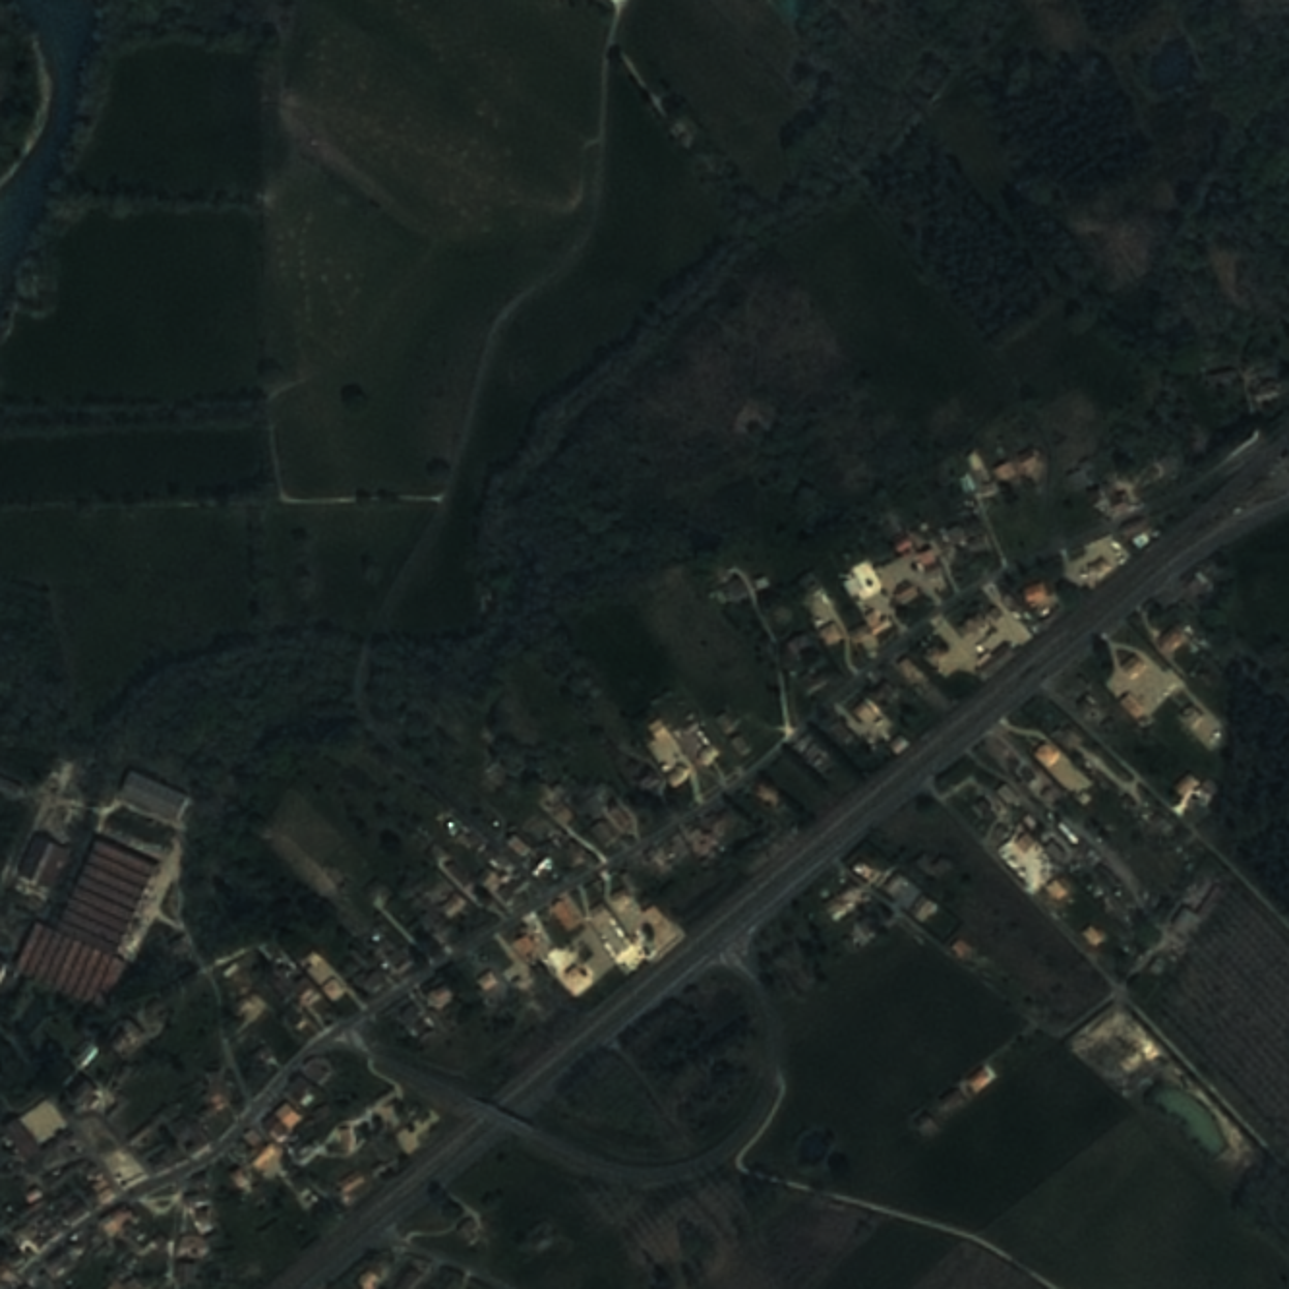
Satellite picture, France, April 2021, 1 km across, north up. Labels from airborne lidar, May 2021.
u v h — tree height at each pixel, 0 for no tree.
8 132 11
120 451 0
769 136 0
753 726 0
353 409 13
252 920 32
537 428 12
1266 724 16
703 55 0
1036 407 13
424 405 0
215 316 0
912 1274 0
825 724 14
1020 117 20
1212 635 16
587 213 0
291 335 0
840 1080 0
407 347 0
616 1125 8
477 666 19
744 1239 18
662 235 0
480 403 0
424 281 0
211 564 0
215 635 0
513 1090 0
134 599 0
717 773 0
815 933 11
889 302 0
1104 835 9
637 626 0
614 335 0
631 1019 0
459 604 0
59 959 0
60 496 0
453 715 16
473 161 0
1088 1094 0
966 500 12
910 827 0
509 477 17
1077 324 14
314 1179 6
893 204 19
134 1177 0
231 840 22
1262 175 17
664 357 7
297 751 19
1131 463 10
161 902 0
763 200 12
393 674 20
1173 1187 0
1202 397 0
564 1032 14
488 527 16
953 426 0
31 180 0
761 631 11
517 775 6
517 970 0
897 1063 0
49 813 0
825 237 0
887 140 17
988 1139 0
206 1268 0
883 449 8
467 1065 0
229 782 18
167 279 0
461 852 0
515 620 20
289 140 0
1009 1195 0
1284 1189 22
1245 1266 0
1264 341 9
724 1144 0
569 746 9
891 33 24
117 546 0
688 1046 7
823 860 0
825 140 21
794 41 0
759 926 0
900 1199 0
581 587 20
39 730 21
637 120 0
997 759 0
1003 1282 0
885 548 12
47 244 16
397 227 0
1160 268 19
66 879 10
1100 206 17
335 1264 0
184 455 0
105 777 15
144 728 22
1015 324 22
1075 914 0
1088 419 0
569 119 0
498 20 0
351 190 0
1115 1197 0
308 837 0
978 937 0
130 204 17
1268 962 20
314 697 8
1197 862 0
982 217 16
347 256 0
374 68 0
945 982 0
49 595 7
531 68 0
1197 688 0
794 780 0
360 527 0
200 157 0
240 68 0
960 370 0
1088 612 0
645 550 12
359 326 0
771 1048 0
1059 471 0
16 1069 20
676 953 0
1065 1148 0
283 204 0
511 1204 0
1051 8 0
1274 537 0
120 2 16
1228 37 19
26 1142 0
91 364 0
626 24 0
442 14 0
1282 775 16
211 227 0
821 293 0
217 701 19
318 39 0
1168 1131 0
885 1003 0
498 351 0
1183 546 0
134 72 0
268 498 14
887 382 0
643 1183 0
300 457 0
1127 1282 0
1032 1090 0
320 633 11
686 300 17
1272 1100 20
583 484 8
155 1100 0
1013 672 0
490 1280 0
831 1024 0
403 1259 0
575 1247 0
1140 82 7
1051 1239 0
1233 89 25
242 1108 6
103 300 0
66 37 0
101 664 0
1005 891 0
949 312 0
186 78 0
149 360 0
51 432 19
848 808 0
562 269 0
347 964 7
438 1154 0
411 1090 0
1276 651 16
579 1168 0
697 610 0
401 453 0
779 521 0
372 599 0
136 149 0
